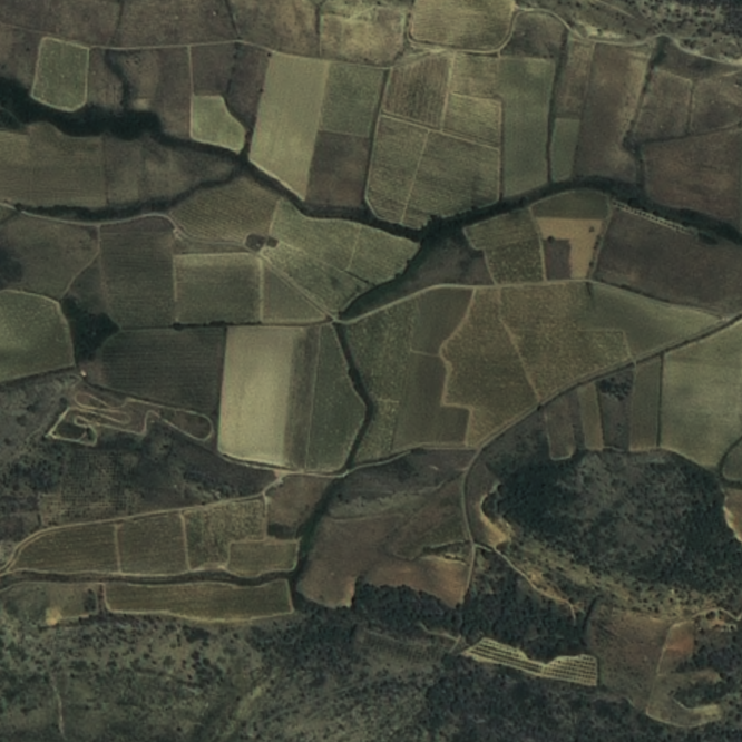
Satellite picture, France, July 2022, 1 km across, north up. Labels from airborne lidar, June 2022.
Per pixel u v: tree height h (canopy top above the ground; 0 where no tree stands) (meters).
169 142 6
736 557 13
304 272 0
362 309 0
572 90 0
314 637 9
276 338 0
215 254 0
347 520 0
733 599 9
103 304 0
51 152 0
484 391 0
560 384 0
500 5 0
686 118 0
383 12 0
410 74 0
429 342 0
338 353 0
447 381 0
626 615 0
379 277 0
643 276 0
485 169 0
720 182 0
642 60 0
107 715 0
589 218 0
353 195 0
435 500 0
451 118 0
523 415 0
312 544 0
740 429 0
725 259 0
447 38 0
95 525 0
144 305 0
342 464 0
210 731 0
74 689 0
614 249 0
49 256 0
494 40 0
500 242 0
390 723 0
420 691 9
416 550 0
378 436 0
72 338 0
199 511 0
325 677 0
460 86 0
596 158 0
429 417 0
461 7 0
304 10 0
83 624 6
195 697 0
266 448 0
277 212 0
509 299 0
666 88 0
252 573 0
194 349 0
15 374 0
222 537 0
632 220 0
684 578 11
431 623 13
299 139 0
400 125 0
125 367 0
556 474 10
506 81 0
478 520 0
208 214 0
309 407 0
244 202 0
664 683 0
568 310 0
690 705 0
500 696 7
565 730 0
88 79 0
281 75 0
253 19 0
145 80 0
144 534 0
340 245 0
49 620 0
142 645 0
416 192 0
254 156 0
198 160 0
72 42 0
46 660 0
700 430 0
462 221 10
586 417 0
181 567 0
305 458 0
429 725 9
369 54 0
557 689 0
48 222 0
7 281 0
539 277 0
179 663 0
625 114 0
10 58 0
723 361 0
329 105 0
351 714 0
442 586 0
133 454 0
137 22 0
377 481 0
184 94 0
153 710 0
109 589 0
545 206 0
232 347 0
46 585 0
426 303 0
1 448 0
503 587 9
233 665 0
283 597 0
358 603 13
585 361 0
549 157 0
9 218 0
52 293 0
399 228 10
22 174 0
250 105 0
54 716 0
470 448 0
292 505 0
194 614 0
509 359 0
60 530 0
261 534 0
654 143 0
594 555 6
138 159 0
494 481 0
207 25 0
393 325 0
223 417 0
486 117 0
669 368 0
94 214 7
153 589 0
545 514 8
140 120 6
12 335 0
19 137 0
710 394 0
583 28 0
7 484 7
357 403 0
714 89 0
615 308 0
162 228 0
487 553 12
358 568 0
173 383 0
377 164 0
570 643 11
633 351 0
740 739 9
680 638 0
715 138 0
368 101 0
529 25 0
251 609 0
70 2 0
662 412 0
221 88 0
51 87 0
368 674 0
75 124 8
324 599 0
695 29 0
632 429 0
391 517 0
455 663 11
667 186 0
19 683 0
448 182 0
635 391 0
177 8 0
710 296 0
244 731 0
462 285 0
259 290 0
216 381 0
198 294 0
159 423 0
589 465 0
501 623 12
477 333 0
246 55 0
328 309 0
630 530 0
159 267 0
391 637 0
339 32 0
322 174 0
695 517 11
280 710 0
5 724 0
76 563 0
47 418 0
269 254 0
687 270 0
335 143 0
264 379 0
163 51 0
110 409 0
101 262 0
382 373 0
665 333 0
